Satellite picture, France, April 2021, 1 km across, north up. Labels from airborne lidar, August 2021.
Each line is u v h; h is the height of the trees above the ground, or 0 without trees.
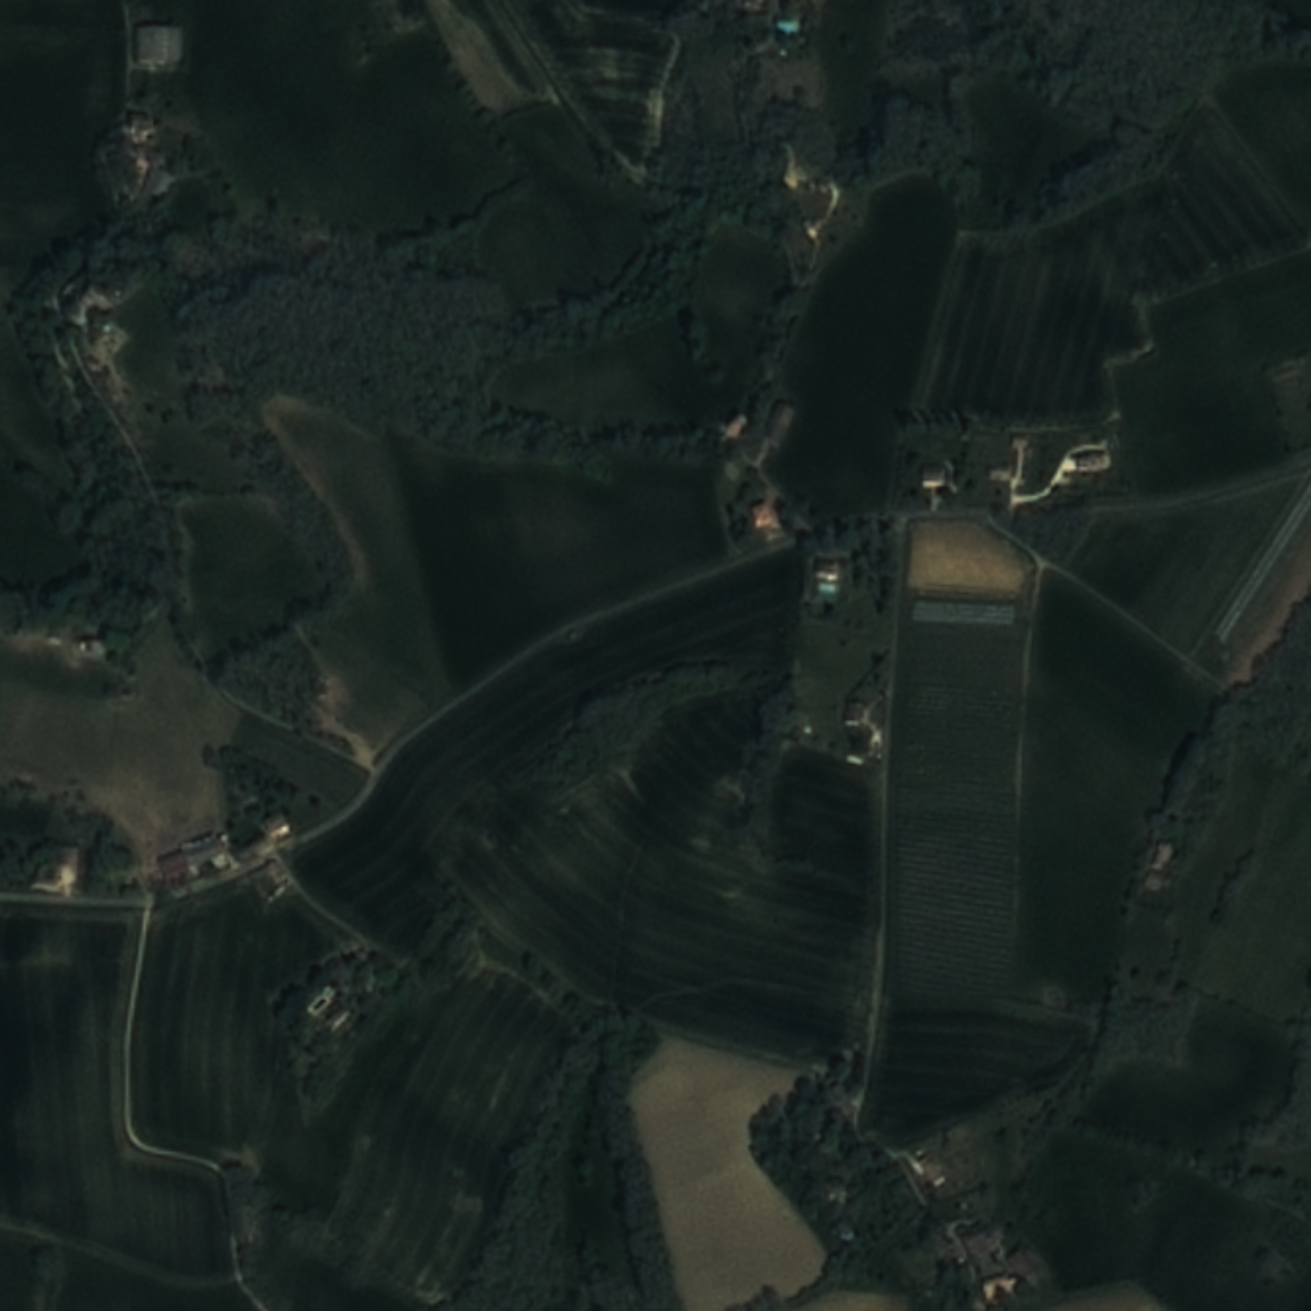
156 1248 0
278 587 0
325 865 0
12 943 0
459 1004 0
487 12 0
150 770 0
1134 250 0
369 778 0
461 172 0
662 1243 15
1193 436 0
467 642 0
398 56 0
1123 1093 0
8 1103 0
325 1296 0
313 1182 0
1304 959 0
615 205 0
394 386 24
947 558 0
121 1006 0
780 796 0
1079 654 0
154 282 12
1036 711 0
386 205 0
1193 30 19
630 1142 20
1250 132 0
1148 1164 0
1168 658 0
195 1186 0
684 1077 0
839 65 0
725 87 0
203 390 12
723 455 6
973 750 0
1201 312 0
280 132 0
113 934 0
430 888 0
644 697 14
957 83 16
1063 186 18
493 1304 21
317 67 0
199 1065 0
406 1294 0
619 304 6
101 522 23
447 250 6
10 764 0
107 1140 0
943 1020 0
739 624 0
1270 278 0
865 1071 9
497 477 0
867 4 0
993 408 0
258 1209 19
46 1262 17
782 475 0
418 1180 0
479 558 0
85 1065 0
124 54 0
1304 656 21
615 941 0
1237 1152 9
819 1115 16
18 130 0
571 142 0
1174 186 0
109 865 13
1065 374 0
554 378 0
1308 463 0
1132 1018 19
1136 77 19
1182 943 8
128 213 7
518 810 0
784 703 20
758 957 0
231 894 0
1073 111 20
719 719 0
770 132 7
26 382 0
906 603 0
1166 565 0
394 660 0
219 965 0
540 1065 0
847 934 0
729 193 7
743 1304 0
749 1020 0
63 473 0
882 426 0
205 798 0
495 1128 0
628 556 0
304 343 20
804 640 0
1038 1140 12
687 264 11
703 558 0
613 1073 18
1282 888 0
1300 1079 12
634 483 0
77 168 0
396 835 0
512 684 0
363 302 24
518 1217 21
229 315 16
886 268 0
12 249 0
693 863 0
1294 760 14
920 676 0
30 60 0
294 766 0
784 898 0
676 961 0
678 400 0
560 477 0
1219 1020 0
